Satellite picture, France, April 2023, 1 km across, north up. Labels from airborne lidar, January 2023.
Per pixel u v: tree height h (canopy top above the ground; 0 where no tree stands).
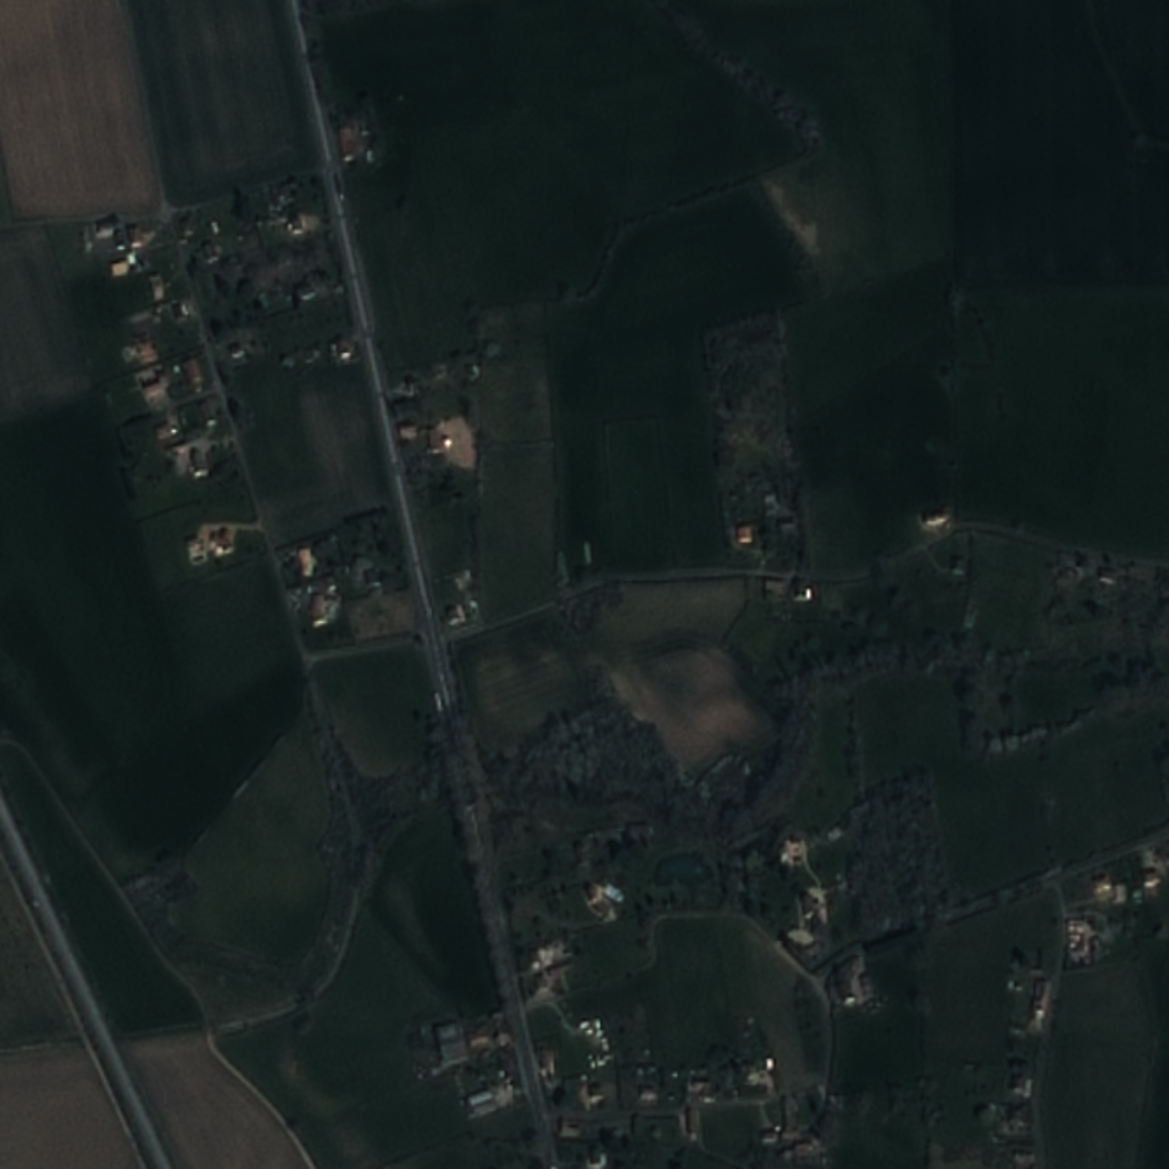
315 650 0
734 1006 0
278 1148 0
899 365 0
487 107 0
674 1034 0
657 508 0
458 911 0
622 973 0
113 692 0
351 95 0
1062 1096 0
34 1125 0
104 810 0
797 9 0
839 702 0
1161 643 21
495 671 0
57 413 0
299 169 0
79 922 0
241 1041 0
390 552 10
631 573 0
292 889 0
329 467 0
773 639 0
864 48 0
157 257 0
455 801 30
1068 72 0
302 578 9
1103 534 0
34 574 0
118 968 0
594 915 0
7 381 0
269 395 0
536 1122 0
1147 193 0
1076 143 0
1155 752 0
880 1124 0
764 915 9
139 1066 0
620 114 0
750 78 9
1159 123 0
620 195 0
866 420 0
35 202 0
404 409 9
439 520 0
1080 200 0
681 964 0
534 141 0
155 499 0
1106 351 0
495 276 0
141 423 6
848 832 15
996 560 0
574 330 0
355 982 0
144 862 0
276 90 0
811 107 0
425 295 0
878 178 0
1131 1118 0
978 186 0
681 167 0
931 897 16
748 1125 0
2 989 0
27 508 0
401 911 0
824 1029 0
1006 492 0
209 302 13
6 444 0
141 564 0
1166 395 0
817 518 0
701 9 0
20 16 0
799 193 0
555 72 0
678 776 15
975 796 0
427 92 0
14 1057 0
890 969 0
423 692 0
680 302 0
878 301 0
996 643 0
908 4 0
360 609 0
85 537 0
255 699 0
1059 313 0
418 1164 0
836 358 0
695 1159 0
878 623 11
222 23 0
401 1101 0
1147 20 0
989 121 0
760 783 13
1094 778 0
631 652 0
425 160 0
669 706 0
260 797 0
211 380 0
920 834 13
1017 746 7
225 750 0
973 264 0
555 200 0
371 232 0
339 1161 0
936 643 17
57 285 0
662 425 0
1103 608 6
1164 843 0
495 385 0
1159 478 0
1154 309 0
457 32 0
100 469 0
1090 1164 0
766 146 0
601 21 0
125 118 0
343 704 0
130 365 0
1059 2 0
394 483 0
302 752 0
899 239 0
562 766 32
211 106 0
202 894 0
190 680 0
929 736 0
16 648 0
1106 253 0
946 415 0
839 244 0
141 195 0
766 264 0
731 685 0
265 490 0
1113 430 0
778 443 0
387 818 12
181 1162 0
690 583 0
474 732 17
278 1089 0
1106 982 0
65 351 0
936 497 0
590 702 7
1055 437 0
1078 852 0
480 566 8
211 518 0
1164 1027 0
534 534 0
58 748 0
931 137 0
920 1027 0
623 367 0
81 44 0
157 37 0
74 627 0
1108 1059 0
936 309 0
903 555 0
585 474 0
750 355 0
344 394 0
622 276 0
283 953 0
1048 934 0
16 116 0
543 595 0
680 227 0
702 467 0
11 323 0
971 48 0
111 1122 0
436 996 0
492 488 0
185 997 0
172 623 0
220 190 0
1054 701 0
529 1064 0
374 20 0
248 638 0
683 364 0
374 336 0
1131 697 16
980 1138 0
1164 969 0
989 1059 0
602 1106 6
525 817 18
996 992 0
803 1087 0
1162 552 0
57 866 0
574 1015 0
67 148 0
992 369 0
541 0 0
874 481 0
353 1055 0
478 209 0
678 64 0
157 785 0
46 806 0
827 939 18
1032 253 0
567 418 0
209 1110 0
